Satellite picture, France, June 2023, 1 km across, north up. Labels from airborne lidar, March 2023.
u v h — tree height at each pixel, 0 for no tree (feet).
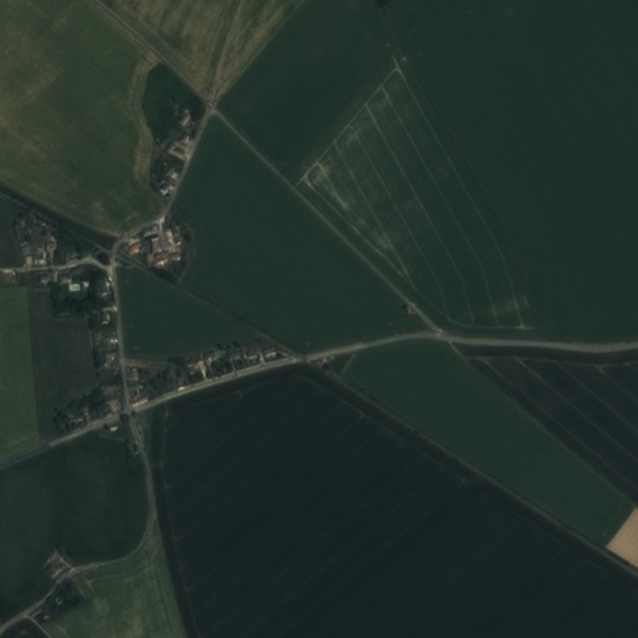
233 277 0
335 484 0
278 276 0
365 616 0
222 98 0
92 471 0
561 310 0
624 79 0
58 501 0
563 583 0
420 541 0
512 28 0
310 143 0
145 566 0
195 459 0
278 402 0
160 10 0
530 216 0
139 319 0
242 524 0
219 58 0
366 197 0
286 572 0
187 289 0
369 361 0
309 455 0
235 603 0
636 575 0
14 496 0
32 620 0
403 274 0
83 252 54
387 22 0
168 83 0
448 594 0
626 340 0
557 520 0
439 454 0
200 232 0
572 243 0
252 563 0
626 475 0
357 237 0
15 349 0
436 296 0
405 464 0
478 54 0
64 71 0
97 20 0
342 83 0
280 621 0
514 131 0
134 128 0
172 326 0
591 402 0
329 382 0
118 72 0
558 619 0
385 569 0
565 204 0
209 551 0
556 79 0
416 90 0
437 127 0
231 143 0
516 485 0
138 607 0
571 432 0
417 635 0
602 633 0
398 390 0
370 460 0
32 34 0
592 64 0
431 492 0
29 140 0
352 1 0
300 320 0
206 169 0
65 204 0
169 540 0
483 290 0
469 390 0
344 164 0
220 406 0
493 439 0
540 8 0
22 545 0
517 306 0
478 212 0
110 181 0
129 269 0
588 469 0
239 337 0
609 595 0
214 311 0
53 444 0
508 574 0
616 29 0
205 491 0
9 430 0
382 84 0
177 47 0
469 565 0
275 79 0
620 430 0
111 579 0
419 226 0
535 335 0
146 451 21
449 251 0
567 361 0
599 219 0
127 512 0
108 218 0
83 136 0
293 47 0
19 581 0
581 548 0
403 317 0
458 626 0
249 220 0
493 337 0
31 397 0
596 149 0
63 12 0
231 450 0
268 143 0
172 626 0
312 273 0
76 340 0
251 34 0
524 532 0
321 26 0
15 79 0
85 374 0
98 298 20
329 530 0
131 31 0
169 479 0
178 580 0
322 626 0
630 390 0
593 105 0
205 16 0
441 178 0
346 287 0
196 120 33
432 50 0
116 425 0
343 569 0
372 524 0
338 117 0
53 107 0
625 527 0
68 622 0
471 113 0
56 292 35
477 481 0
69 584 24
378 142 0
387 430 0
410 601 0
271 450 0
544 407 0
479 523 0
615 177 0
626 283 0
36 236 0
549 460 0
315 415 0
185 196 0
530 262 0
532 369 0
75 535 0
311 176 0
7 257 0
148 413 0
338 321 0
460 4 0
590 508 0
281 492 0
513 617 0
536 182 0
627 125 0
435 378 0
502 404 0
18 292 0
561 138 0
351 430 0
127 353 0
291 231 0
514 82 0
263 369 0
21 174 0
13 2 0
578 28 0
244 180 0
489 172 0
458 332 0
